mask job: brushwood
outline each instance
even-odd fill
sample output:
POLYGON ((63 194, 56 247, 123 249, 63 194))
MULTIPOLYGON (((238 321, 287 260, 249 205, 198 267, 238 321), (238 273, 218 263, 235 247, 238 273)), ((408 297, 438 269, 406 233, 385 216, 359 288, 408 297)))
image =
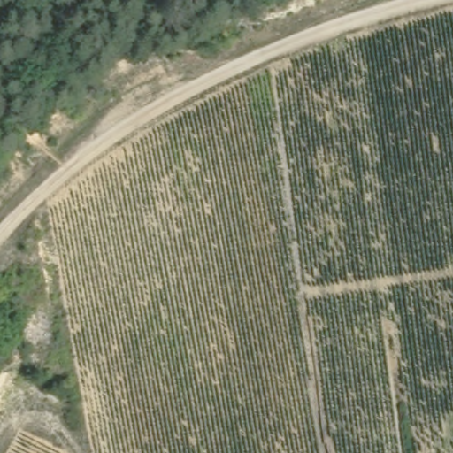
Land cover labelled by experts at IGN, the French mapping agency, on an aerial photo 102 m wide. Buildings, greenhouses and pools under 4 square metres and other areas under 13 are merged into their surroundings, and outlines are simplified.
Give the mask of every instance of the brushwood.
POLYGON ((39 269, 39 262, 12 262, 0 273, 0 320, 4 317, 11 320, 18 317, 27 324, 28 317, 37 311, 37 306, 44 296, 44 278, 39 269))
POLYGON ((57 396, 62 402, 62 423, 71 432, 80 430, 81 426, 85 425, 62 301, 53 306, 50 338, 37 343, 30 343, 27 340, 19 343, 14 354, 19 354, 21 359, 19 375, 32 382, 35 388, 57 396))

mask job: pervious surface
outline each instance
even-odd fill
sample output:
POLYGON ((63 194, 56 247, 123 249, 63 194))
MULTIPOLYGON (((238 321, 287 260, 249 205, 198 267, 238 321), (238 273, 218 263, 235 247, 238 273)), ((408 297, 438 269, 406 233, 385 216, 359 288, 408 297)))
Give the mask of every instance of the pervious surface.
POLYGON ((37 186, 14 211, 9 212, 0 221, 0 235, 4 239, 9 239, 12 232, 21 225, 21 221, 42 202, 67 177, 80 170, 92 157, 101 154, 111 143, 131 133, 134 127, 147 124, 163 111, 170 110, 195 94, 200 94, 214 83, 242 73, 253 65, 262 64, 267 58, 297 50, 304 44, 326 41, 343 30, 370 25, 402 12, 434 7, 439 4, 437 0, 375 0, 372 5, 361 11, 350 12, 315 27, 304 28, 301 32, 267 44, 264 48, 228 60, 195 80, 180 83, 179 87, 168 92, 161 92, 154 103, 142 108, 133 106, 134 97, 149 92, 149 85, 136 88, 131 94, 122 96, 122 101, 104 115, 103 120, 90 134, 90 138, 81 142, 78 149, 74 150, 41 186, 37 186))

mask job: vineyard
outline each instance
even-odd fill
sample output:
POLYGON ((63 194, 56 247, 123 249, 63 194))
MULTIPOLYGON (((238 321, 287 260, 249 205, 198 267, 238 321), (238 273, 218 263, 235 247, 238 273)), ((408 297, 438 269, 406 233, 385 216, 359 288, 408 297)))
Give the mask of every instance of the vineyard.
POLYGON ((163 111, 147 124, 134 127, 131 133, 111 143, 101 154, 92 157, 80 170, 67 177, 42 202, 48 203, 46 214, 50 221, 50 234, 44 235, 42 241, 46 244, 46 250, 60 257, 60 262, 55 265, 58 269, 58 287, 62 301, 85 425, 90 453, 453 453, 453 0, 437 0, 439 4, 434 7, 402 12, 370 25, 343 30, 326 41, 304 44, 297 50, 267 58, 262 64, 253 65, 242 73, 214 83, 200 94, 195 94, 170 110, 163 111))
POLYGON ((58 448, 53 442, 30 434, 23 428, 21 437, 14 434, 11 444, 2 453, 69 453, 67 449, 58 448))

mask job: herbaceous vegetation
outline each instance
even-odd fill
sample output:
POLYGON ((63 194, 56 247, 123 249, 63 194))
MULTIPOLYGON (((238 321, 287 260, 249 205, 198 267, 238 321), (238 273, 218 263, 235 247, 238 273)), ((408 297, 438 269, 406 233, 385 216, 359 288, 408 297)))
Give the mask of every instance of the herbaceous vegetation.
POLYGON ((103 97, 83 104, 83 111, 76 119, 67 119, 64 113, 55 113, 51 115, 50 126, 42 129, 39 134, 30 134, 27 138, 19 138, 18 150, 12 152, 9 165, 4 165, 0 161, 0 221, 9 212, 14 211, 37 186, 41 186, 74 150, 78 149, 81 142, 90 138, 90 134, 103 120, 104 115, 122 101, 122 96, 131 94, 136 88, 149 85, 149 92, 134 97, 133 106, 142 108, 154 103, 161 92, 168 92, 179 87, 180 83, 195 80, 228 60, 264 48, 267 44, 301 32, 304 28, 315 27, 350 12, 361 11, 372 5, 375 0, 267 0, 269 12, 246 19, 242 23, 244 34, 235 39, 237 44, 234 48, 219 51, 216 58, 200 57, 198 51, 180 50, 182 57, 172 60, 166 57, 149 57, 145 62, 120 60, 119 64, 111 69, 110 80, 104 81, 106 92, 103 97))
POLYGON ((53 442, 58 448, 67 449, 69 453, 90 453, 85 425, 81 426, 80 430, 71 432, 62 423, 62 402, 57 396, 35 388, 32 382, 19 375, 21 359, 19 354, 14 354, 11 363, 0 368, 0 453, 2 453, 11 444, 14 434, 21 437, 23 428, 30 434, 53 442))
POLYGON ((53 306, 62 301, 58 287, 58 269, 55 265, 60 262, 60 257, 46 250, 46 244, 42 241, 44 235, 50 234, 50 221, 46 214, 48 203, 42 202, 21 221, 21 225, 12 232, 9 239, 4 239, 0 235, 0 273, 12 262, 39 262, 39 269, 44 278, 44 296, 37 306, 37 311, 28 317, 27 324, 27 340, 30 343, 37 343, 50 338, 53 306))

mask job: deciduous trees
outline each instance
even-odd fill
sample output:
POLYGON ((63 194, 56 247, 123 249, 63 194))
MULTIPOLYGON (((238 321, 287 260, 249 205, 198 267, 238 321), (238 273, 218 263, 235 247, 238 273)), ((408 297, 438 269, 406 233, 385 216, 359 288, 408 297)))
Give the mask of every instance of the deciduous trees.
POLYGON ((11 363, 14 354, 19 343, 27 340, 27 324, 18 317, 11 320, 4 317, 0 320, 0 368, 11 363))
POLYGON ((198 51, 200 57, 216 58, 219 51, 234 48, 237 44, 235 39, 226 44, 216 42, 207 50, 198 51))
POLYGON ((34 126, 27 126, 30 134, 39 134, 42 129, 50 126, 51 115, 55 113, 53 99, 44 104, 41 119, 37 119, 34 126))
POLYGON ((51 62, 46 60, 46 55, 41 51, 35 57, 25 60, 27 69, 18 80, 19 87, 35 81, 41 83, 42 87, 53 87, 58 80, 67 81, 78 73, 78 64, 69 57, 71 46, 64 44, 58 46, 51 62))

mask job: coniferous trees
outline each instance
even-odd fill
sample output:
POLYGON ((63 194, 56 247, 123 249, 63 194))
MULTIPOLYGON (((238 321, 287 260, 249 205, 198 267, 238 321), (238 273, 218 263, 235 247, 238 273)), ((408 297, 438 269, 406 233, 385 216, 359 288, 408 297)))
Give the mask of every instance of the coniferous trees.
POLYGON ((145 62, 149 57, 166 57, 172 60, 182 57, 180 50, 198 51, 207 50, 216 42, 226 44, 235 39, 244 34, 242 23, 246 19, 269 12, 267 0, 0 0, 0 161, 4 165, 9 165, 12 152, 18 150, 19 138, 27 138, 30 134, 27 126, 34 126, 37 119, 41 119, 44 104, 53 99, 55 113, 64 113, 67 119, 76 119, 83 111, 83 104, 103 97, 106 92, 104 81, 110 80, 111 69, 119 64, 120 60, 145 62), (27 69, 25 60, 35 57, 41 51, 46 55, 46 60, 51 62, 58 46, 64 44, 71 46, 69 57, 78 64, 78 73, 67 81, 58 80, 53 87, 42 87, 41 83, 35 81, 19 87, 18 80, 27 69))

